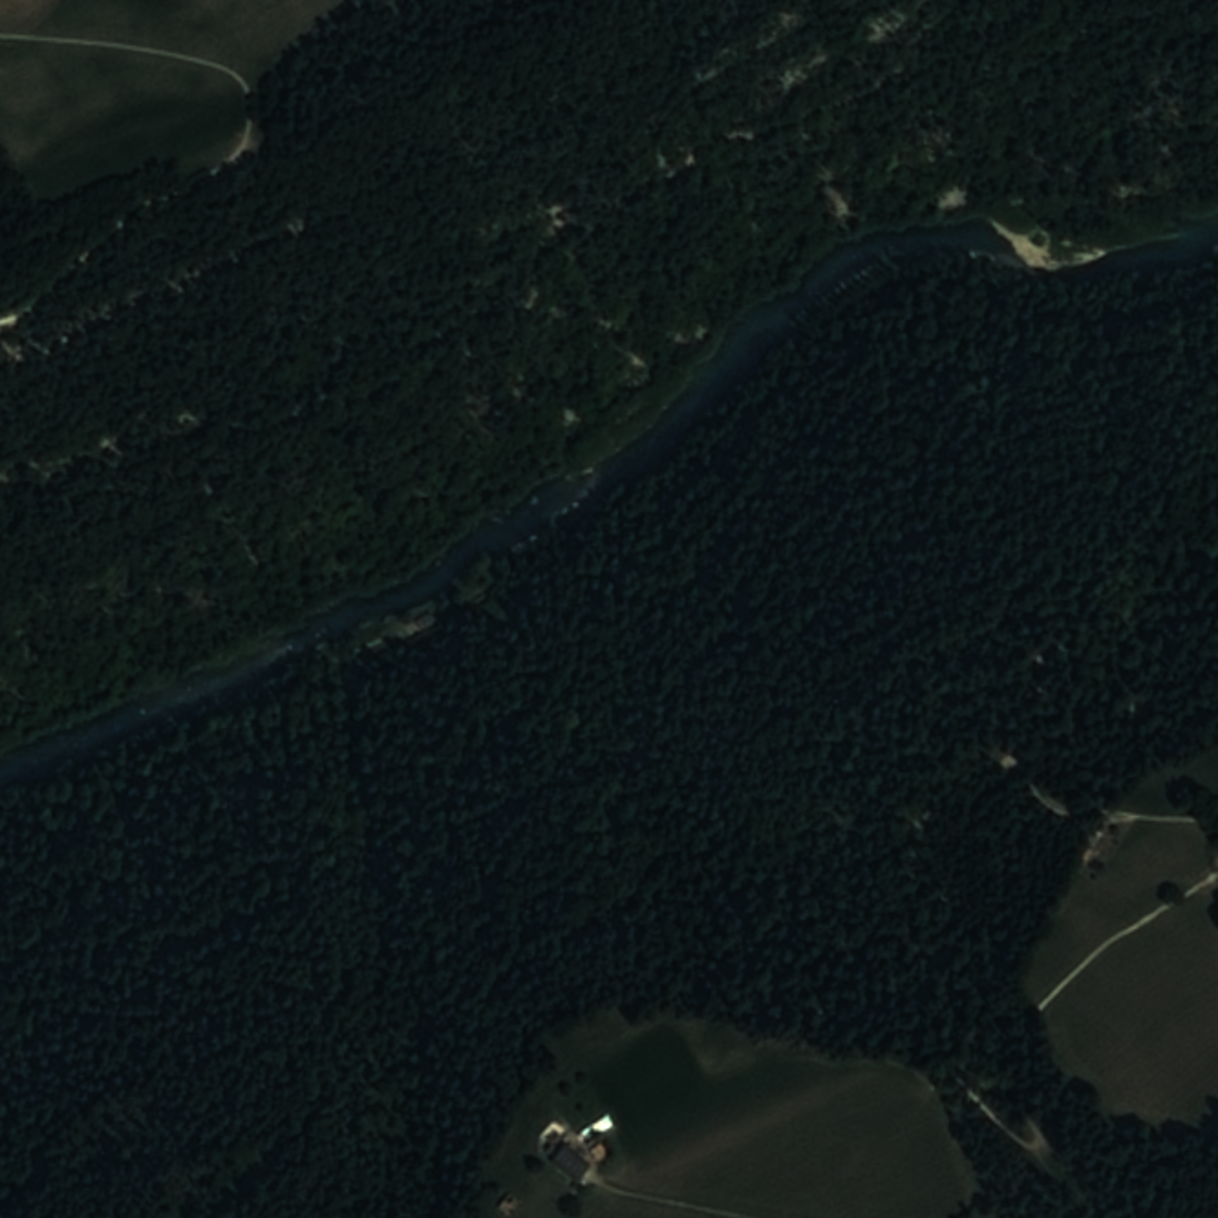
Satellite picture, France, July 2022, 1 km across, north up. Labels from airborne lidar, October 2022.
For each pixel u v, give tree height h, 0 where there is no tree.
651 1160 0
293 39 0
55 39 0
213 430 26
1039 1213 33
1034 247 0
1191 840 0
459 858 32
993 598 31
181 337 19
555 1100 0
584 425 7
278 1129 25
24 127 0
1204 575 35
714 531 25
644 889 32
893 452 26
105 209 16
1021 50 20
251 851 29
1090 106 39
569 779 30
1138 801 0
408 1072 37
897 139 23
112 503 29
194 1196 15
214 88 0
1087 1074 0
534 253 12
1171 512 32
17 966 45
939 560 24
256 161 18
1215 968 0
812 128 14
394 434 28
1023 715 33
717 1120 0
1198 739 28
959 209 6
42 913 39
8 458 22
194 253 24
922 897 30
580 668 31
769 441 26
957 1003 34
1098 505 26
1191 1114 0
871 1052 21
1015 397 32
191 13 0
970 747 30
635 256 29
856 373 31
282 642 0
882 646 18
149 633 29
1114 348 30
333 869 21
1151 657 15
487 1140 35
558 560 35
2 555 25
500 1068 33
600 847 31
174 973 35
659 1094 0
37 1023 15
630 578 30
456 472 34
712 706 30
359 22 24
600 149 22
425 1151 31
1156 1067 0
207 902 40
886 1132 0
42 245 18
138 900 25
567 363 21
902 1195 0
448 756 34
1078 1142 35
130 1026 35
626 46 26
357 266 26
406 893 30
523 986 28
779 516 27
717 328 21
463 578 21
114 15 0
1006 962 10
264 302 21
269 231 25
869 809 15
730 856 27
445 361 31
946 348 34
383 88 31
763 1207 0
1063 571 24
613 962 23
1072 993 0
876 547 26
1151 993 0
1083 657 33
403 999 28
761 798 28
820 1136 0
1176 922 0
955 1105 23
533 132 25
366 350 29
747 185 7
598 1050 0
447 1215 34
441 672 32
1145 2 26
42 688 12
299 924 30
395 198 29
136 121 0
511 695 32
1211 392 26
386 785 33
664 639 30
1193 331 27
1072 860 24
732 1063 0
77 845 39
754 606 28
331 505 42
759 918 40
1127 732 20
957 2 9
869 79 7
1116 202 8
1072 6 9
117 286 32
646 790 41
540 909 23
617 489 26
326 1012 17
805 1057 0
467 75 27
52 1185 33
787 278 27
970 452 34
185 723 26
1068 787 10
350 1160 31
